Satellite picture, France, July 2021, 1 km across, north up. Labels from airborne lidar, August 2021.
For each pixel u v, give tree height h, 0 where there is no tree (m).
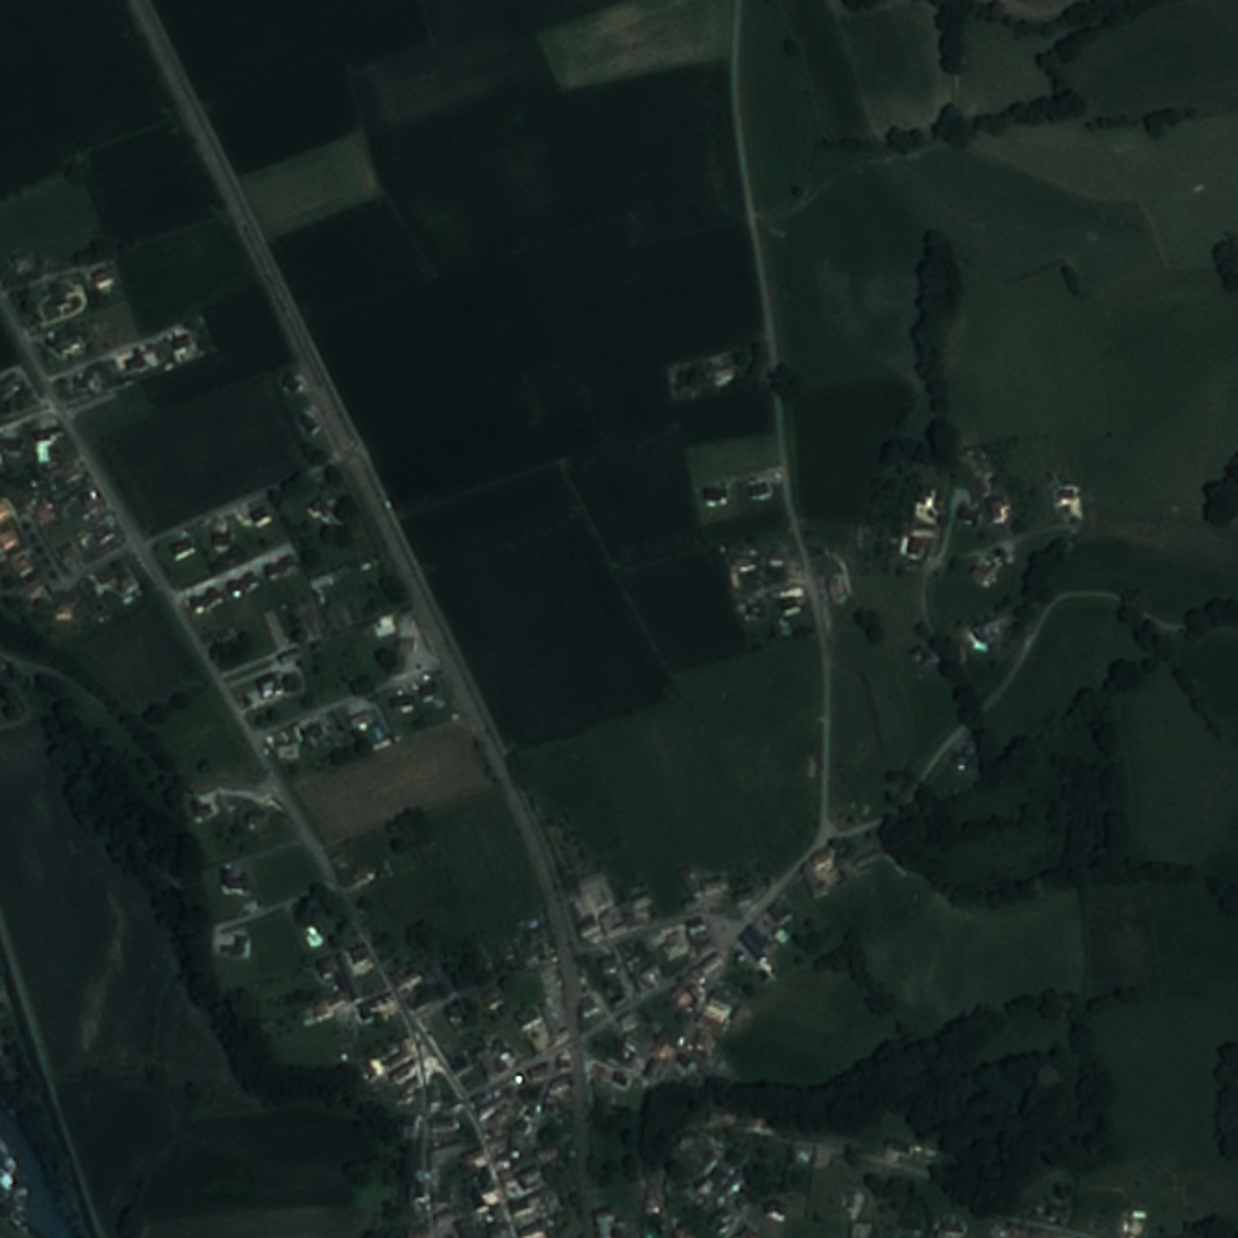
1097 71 0
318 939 0
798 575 0
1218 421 0
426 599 0
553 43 0
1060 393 0
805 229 0
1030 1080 28
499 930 0
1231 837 0
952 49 20
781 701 0
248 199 0
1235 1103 20
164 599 0
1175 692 0
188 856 26
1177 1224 0
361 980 6
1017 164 0
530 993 0
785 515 0
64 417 0
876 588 0
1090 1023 15
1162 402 0
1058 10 0
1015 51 0
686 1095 14
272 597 0
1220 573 0
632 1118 13
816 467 0
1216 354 0
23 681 23
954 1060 35
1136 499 0
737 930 0
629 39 0
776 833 0
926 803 17
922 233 0
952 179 0
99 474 0
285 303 0
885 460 10
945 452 19
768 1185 6
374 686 13
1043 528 0
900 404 0
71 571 9
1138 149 0
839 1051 0
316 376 0
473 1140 8
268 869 0
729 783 0
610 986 10
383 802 0
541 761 0
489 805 0
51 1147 24
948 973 0
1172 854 0
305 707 8
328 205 0
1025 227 0
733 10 0
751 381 7
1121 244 0
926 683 0
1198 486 0
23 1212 0
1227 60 0
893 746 0
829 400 0
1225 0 0
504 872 0
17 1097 15
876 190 0
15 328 0
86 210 0
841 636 0
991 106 0
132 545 0
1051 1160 24
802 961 7
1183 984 0
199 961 30
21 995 0
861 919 0
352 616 0
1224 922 0
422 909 0
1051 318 0
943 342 21
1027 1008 15
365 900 10
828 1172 0
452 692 0
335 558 0
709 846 0
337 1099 22
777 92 0
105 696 11
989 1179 33
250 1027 17
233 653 15
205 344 7
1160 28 0
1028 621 17
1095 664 0
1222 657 0
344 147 0
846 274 0
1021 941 0
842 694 0
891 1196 12
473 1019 15
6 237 0
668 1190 6
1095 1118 8
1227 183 0
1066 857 8
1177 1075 0
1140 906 0
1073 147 0
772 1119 17
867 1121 26
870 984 12
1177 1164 0
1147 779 0
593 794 0
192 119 0
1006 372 0
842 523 0
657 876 0
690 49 0
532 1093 6
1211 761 0
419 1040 0
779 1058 0
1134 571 0
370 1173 10
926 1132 26
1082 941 0
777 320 0
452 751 0
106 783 24
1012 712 0
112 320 0
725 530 0
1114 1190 0
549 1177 10
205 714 0
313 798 0
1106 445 0
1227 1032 0
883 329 0
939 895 14
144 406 0
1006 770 24
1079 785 10
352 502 14
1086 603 0
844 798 0
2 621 21
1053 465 0
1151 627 14
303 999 9
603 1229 9
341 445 0
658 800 0
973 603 0
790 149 0
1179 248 0
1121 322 0
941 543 0
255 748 0
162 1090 12
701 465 0
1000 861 0
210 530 0
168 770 17
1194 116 12
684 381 8
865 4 18
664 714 0
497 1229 0
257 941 0
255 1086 23
